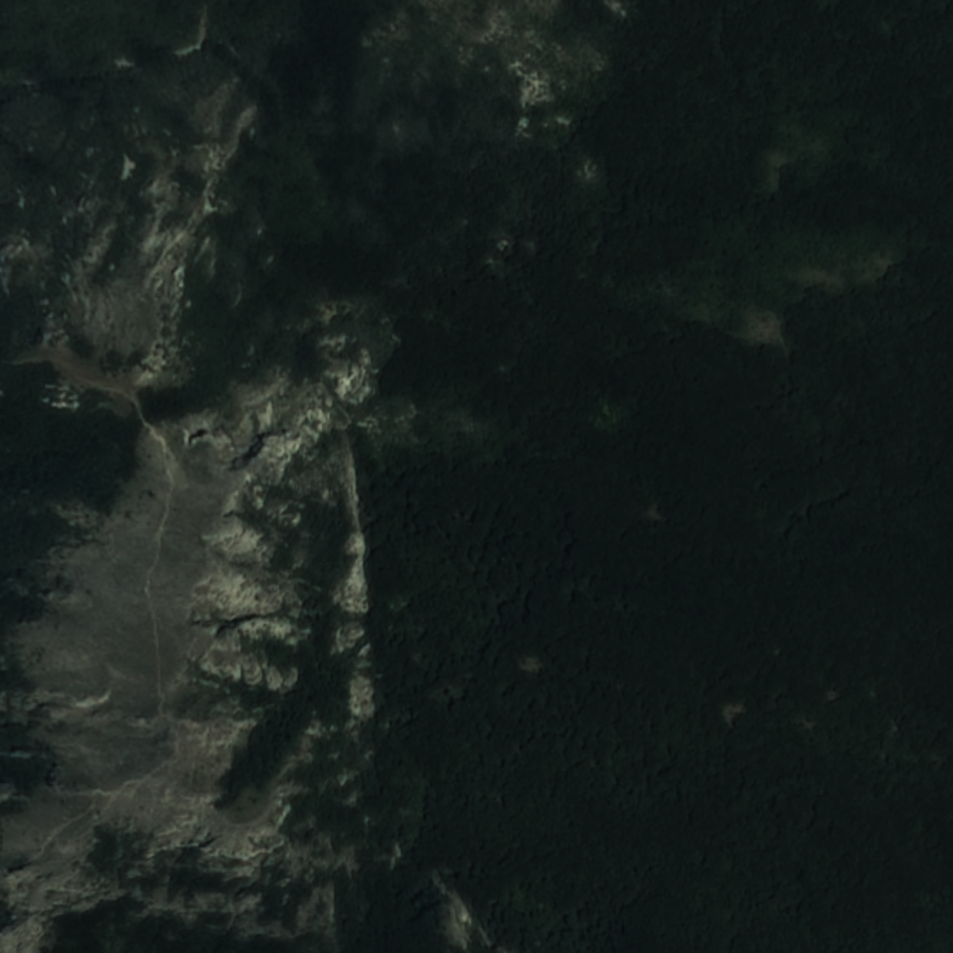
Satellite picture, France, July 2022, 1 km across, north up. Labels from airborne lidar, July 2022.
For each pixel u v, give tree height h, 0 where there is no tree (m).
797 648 15
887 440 27
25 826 0
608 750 24
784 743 22
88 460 6
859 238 7
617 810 18
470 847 23
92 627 0
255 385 0
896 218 14
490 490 31
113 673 0
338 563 11
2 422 8
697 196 19
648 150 17
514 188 9
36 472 6
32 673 0
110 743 0
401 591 9
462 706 26
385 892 19
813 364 18
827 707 11
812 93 7
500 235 5
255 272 7
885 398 19
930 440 23
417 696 20
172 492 0
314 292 6
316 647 9
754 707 11
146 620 0
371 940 20
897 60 18
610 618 19
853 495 23
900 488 16
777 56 19
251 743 16
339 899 16
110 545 0
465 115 6
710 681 13
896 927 14
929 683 19
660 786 28
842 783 20
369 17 6
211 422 0
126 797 0
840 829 22
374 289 10
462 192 16
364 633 8
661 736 23
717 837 18
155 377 0
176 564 0
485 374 19
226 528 0
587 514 32
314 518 11
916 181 13
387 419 8
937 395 16
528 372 21
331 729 8
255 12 6
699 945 14
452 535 24
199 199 0
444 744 24
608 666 22
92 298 0
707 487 27
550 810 22
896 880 18
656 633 18
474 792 18
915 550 19
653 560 25
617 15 7
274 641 16
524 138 8
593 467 27
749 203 15
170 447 0
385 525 29
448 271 20
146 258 0
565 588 24
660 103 20
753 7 21
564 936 16
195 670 10
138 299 0
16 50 6
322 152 6
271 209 8
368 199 9
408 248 9
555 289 21
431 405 8
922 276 17
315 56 9
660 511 9
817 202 16
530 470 24
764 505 20
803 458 20
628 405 8
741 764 20
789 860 19
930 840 13
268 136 6
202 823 0
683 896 21
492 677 30
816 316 13
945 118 14
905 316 14
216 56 11
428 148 8
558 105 7
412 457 19
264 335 7
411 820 11
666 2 11
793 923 21
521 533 14
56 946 10
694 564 23
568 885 16
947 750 15
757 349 8
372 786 21
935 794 22
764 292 8
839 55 16
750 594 11
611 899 19
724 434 27
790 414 24
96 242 0
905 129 19
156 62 6
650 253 19
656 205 20
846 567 21
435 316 9
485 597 23
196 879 11
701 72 17
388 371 21
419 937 18
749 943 20
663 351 21
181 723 0
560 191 12
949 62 16
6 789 0
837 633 16
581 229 14
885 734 10
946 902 9
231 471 0
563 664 25
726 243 9
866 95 14
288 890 7
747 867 21
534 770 22
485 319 18
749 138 13
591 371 17
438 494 31
